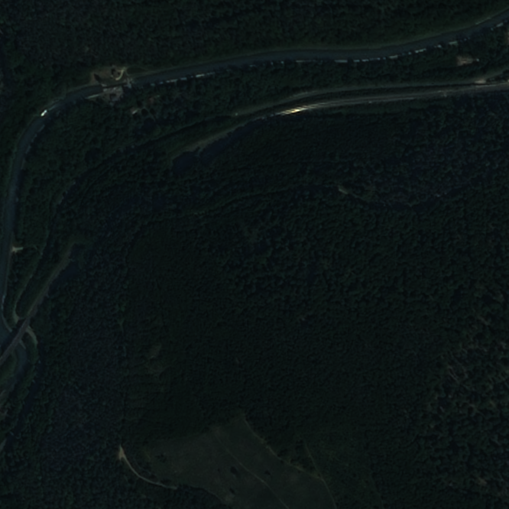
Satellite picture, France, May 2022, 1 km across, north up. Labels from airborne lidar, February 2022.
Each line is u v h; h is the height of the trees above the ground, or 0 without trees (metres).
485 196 28
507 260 37
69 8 22
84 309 30
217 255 27
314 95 0
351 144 12
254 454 0
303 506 0
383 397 18
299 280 29
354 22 29
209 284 23
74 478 27
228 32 29
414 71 15
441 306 28
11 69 26
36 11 11
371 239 34
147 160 10
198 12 30
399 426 26
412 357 21
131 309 12
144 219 16
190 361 14
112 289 21
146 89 17
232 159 13
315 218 26
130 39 31
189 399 14
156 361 6
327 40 24
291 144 11
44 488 31
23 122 20
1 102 24
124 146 0
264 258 15
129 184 15
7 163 23
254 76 26
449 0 18
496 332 28
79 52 33
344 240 30
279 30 28
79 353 27
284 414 14
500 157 26
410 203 15
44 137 23
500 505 24
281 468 0
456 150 28
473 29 0
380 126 11
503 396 38
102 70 0
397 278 32
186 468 0
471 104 16
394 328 23
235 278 21
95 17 25
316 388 15
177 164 0
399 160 8
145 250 15
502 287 33
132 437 12
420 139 22
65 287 24
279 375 16
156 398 7
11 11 36
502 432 42
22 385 22
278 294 26
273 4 32
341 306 26
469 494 23
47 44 26
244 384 17
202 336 15
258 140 17
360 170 8
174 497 13
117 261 16
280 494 0
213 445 0
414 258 33
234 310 23
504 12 0
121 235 16
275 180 11
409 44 0
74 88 0
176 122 28
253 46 28
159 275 10
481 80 0
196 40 32
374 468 11
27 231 20
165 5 20
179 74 0
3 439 0
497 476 34
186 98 19
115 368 24
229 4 30
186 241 21
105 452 30
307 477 0
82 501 24
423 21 25
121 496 29
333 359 21
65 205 9
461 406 38
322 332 22
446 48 20
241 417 0
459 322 28
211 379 17
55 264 10
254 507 0
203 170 18
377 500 0
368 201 0
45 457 33
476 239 31
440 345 27
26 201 19
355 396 11
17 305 0
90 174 12
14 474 27
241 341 19
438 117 35
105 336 23
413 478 23
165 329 10
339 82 18
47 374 30
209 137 0
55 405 28
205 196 15
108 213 17
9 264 0
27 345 19
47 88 22
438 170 32
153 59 24
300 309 24
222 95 26
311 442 0
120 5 23
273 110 0
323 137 10
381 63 16
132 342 14
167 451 0
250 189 14
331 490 0
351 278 31
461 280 32
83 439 31
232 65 0
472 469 35
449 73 24
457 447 35
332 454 0
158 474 0
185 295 16
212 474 0
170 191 8
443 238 30
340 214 26
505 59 21
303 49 0
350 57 0
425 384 28
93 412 26
